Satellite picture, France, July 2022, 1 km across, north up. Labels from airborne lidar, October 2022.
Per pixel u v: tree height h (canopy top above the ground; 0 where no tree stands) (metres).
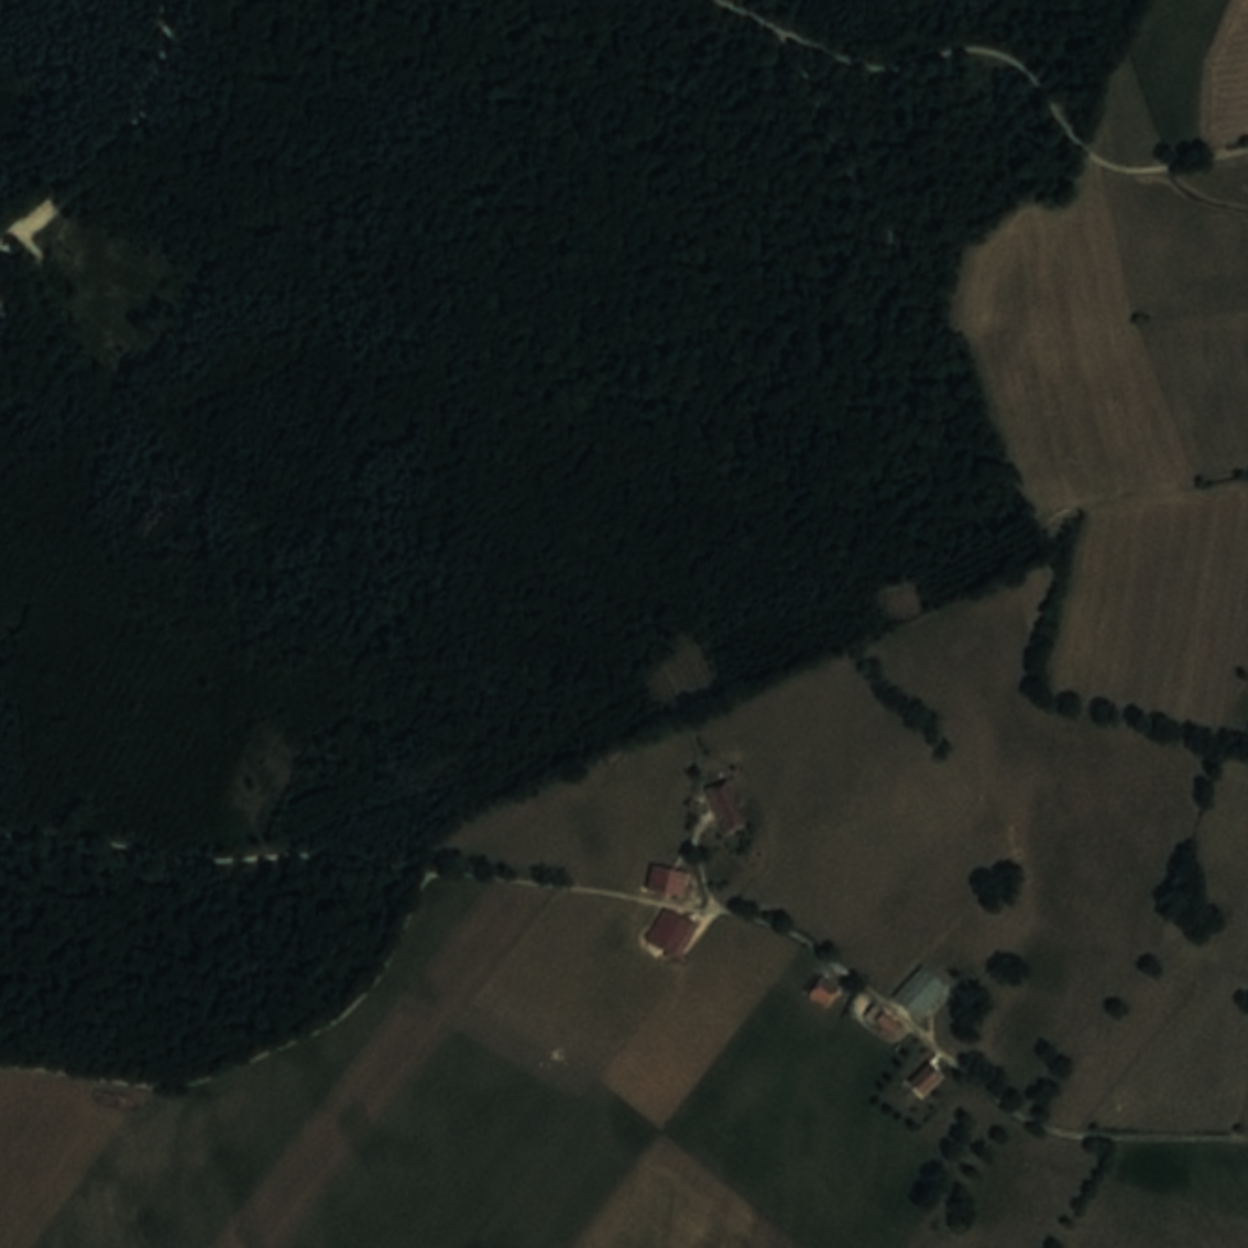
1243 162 0
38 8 26
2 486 17
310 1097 0
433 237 21
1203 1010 0
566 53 21
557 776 18
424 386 13
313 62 23
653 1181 0
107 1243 0
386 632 18
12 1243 0
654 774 0
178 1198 0
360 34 29
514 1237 0
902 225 22
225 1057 19
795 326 21
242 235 22
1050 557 23
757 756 0
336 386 7
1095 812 0
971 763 0
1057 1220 0
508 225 26
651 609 13
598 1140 0
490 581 24
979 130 17
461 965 0
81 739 6
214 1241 0
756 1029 0
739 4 14
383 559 16
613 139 25
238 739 7
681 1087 0
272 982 17
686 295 23
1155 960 12
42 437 22
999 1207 0
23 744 8
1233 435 0
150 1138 0
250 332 27
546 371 24
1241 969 0
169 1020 22
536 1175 0
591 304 24
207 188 27
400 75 24
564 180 17
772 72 20
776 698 0
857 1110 0
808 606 23
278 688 7
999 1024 0
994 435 19
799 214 18
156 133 31
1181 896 24
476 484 22
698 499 18
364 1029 0
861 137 24
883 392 26
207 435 13
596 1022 0
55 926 23
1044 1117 13
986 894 19
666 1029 0
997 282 0
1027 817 0
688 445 24
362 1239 0
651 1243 0
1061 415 0
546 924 0
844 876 0
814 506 23
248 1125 0
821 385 23
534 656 20
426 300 23
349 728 16
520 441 19
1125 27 13
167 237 22
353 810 15
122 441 31
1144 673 0
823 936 0
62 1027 21
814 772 0
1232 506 0
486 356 24
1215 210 0
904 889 0
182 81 28
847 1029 0
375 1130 0
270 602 25
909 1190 0
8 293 24
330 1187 0
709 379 26
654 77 20
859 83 16
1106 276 0
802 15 20
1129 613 0
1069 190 23
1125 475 0
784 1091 0
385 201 19
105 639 7
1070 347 0
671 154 30
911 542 20
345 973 12
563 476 18
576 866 0
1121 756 0
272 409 9
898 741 0
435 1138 0
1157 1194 0
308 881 17
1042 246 0
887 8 17
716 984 0
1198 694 0
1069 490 0
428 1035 0
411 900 23
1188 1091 0
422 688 13
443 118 22
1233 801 0
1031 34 19
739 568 21
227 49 20
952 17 17
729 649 12
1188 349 0
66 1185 0
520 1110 0
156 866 28
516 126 21
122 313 0
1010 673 0
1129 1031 0
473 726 18
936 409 29
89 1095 0
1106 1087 0
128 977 11
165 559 28
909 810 0
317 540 26
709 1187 0
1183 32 0
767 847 0
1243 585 0
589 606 24
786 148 23
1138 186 0
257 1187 0
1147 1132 0
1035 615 0
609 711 9
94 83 29
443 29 30
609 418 17
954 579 8
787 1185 0
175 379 24
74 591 10
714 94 24
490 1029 0
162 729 6
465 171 20
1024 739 0
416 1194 0
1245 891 0
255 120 25
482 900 0
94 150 31
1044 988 0
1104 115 9
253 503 8
